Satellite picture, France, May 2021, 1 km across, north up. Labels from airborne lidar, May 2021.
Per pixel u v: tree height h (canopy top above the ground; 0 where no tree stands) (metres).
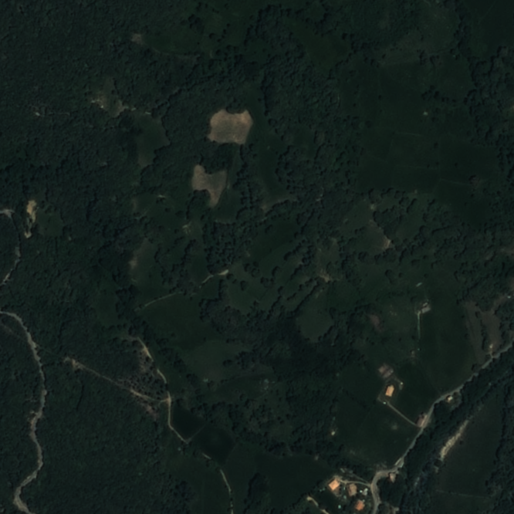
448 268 0
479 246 14
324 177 14
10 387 16
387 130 0
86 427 16
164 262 18
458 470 0
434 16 0
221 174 0
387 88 0
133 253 10
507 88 14
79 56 12
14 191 17
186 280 17
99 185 19
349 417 0
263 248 0
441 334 0
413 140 0
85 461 16
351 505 7
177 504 19
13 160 18
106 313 0
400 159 0
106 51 19
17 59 11
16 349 15
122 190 16
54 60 9
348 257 14
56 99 10
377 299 6
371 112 0
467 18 22
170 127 11
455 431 18
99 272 17
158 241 17
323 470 0
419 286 0
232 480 0
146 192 9
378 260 15
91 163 13
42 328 13
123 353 16
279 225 0
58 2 15
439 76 0
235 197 0
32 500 18
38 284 17
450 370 0
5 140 18
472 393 22
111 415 18
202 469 0
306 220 13
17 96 13
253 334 16
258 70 15
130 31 8
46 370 16
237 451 0
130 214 11
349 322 16
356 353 18
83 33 15
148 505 16
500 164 8
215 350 0
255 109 0
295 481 0
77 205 15
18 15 17
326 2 13
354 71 8
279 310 14
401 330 0
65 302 8
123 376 15
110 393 14
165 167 15
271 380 0
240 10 0
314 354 17
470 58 17
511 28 0
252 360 24
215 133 0
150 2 13
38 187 18
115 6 12
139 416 15
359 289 6
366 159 0
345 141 19
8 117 16
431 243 15
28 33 15
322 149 14
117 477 13
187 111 12
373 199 12
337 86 15
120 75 20
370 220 0
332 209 15
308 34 0
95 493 8
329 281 8
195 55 7
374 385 0
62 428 13
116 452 12
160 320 0
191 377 17
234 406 15
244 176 17
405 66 0
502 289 10
